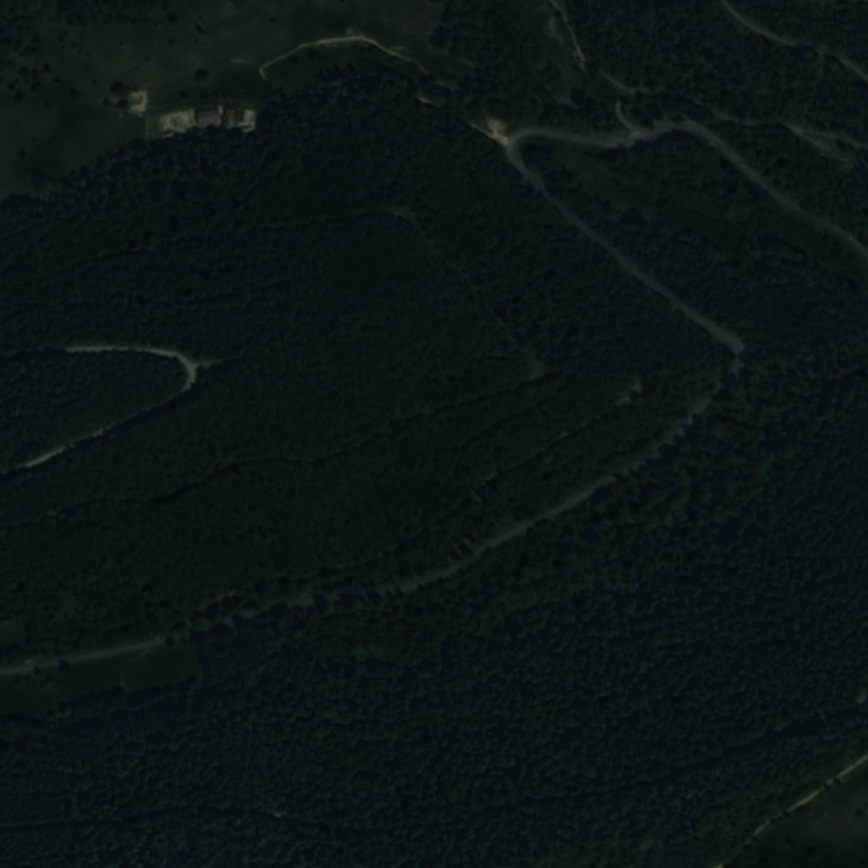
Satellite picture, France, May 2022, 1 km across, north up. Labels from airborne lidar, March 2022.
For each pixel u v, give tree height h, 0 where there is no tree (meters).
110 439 19
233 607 14
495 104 16
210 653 29
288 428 16
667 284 19
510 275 21
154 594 21
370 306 12
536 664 34
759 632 35
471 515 10
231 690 30
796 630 33
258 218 18
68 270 19
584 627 35
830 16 11
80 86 0
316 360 20
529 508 18
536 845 9
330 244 19
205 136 8
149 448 19
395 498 11
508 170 15
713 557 32
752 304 20
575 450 9
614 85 0
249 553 13
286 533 11
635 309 19
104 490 16
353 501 11
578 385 11
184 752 30
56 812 17
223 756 33
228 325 14
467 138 18
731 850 15
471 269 14
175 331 19
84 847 26
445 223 13
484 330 12
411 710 29
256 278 26
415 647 18
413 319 13
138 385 18
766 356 22
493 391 11
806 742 23
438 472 12
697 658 32
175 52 0
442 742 31
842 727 25
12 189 0
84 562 11
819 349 36
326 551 10
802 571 27
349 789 20
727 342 0
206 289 21
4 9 29
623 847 18
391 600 20
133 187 34
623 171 23
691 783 23
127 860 25
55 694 0
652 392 16
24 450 27
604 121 16
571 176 26
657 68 9
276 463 14
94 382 17
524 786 28
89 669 0
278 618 27
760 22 8
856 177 22
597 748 31
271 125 20
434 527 11
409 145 18
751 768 18
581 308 15
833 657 29
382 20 0
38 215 28
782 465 28
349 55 0
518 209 20
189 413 18
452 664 28
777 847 0
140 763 31
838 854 0
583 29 10
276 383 18
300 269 20
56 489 18
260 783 27
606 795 12
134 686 0
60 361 19
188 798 28
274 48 0
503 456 14
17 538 14
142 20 20
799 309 18
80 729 31
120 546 14
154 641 0
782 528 24
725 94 19
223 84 0
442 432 12
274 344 15
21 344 26
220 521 12
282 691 23
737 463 26
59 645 18
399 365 12
